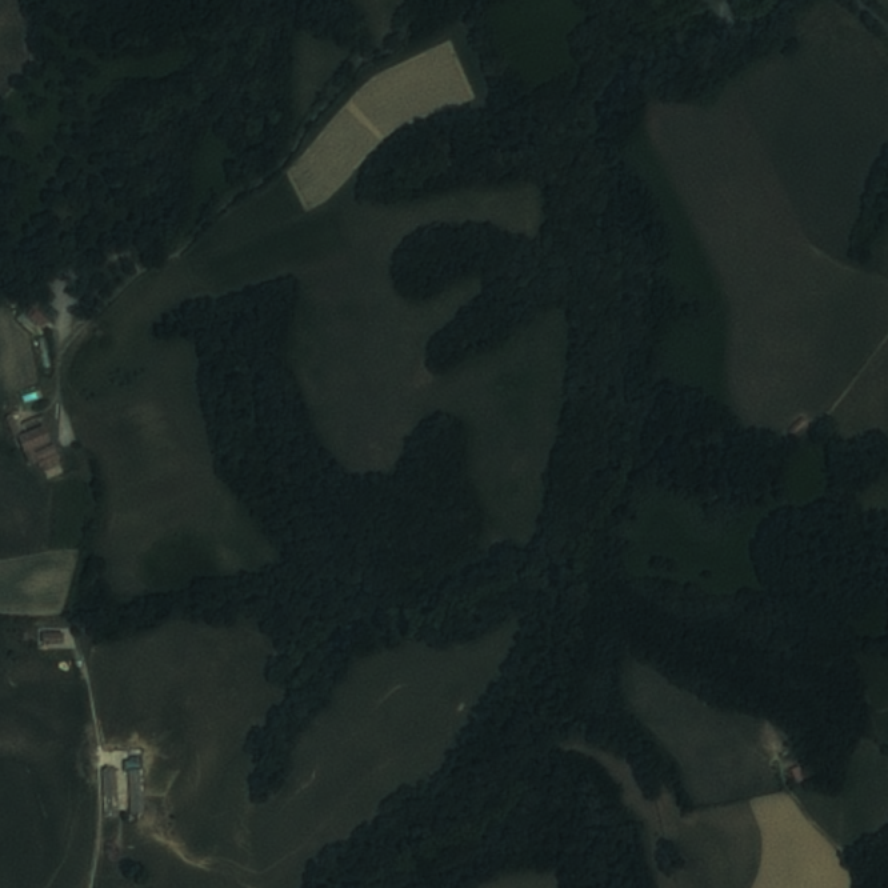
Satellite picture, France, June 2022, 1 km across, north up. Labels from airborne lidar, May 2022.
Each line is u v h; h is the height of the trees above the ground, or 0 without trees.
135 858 0
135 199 21
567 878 14
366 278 0
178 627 0
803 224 0
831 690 20
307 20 22
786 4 21
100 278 18
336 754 0
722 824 0
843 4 12
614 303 20
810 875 0
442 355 19
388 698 0
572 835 18
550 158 16
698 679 14
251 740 13
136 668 0
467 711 0
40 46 22
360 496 24
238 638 0
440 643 16
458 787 19
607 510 22
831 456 17
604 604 14
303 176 0
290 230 0
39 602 0
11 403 0
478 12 22
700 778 0
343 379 0
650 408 23
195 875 0
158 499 0
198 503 0
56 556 0
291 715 25
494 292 22
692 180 0
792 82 0
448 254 28
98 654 0
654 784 23
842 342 0
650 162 0
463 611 22
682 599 9
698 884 0
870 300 0
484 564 11
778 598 20
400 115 0
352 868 30
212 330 32
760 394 0
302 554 23
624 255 25
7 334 0
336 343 0
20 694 0
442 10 10
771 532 22
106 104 13
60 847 0
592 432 20
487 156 29
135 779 0
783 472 11
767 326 0
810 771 16
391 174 26
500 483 0
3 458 0
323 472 15
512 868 8
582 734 19
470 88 0
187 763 0
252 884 0
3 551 0
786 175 0
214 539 0
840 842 0
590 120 25
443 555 18
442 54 0
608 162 15
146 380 0
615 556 12
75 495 0
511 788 27
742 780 0
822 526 29
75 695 0
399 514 22
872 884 29
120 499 0
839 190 0
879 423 0
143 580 0
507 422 0
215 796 0
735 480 21
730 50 18
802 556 26
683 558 0
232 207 8
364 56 8
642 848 12
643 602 13
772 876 0
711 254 0
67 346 0
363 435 0
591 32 17
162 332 19
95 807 0
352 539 21
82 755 0
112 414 0
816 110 0
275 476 25
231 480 9
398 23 10
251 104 27
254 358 27
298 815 0
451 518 21
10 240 14
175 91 21
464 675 0
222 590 12
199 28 22
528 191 0
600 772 10
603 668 10
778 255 0
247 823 0
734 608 9
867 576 24
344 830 0
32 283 21
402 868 28
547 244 11
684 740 0
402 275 18
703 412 20
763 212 0
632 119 23
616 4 21
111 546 0
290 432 27
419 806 23
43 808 0
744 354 0
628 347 21
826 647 15
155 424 0
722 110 0
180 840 0
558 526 23
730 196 0
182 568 0
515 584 29
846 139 0
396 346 0
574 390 19
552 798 21
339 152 0
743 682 17
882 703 0
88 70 12
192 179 6
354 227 0
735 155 0
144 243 19
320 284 0
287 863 0
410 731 0
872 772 0
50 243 16
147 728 0
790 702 17
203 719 0
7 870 0
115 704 0
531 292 23
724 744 0
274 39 8
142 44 22
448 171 28
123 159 27
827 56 0
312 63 0
